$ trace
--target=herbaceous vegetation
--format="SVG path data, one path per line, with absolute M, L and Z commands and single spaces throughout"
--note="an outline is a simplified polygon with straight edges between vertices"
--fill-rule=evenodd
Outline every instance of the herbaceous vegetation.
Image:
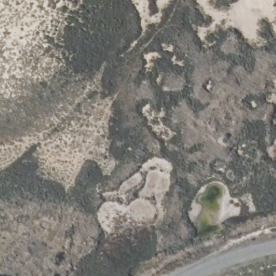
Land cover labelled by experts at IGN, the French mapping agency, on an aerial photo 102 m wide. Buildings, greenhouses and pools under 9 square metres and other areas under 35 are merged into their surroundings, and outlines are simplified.
M 168 197 L 165 194 L 162 201 L 164 215 L 180 215 L 182 208 L 182 202 L 178 197 L 178 185 L 174 190 L 174 196 Z
M 68 16 L 78 18 L 79 23 L 83 23 L 82 17 L 75 14 L 74 10 L 80 8 L 83 0 L 0 0 L 0 113 L 6 114 L 16 110 L 15 103 L 22 103 L 18 96 L 31 96 L 30 91 L 20 89 L 20 85 L 41 81 L 50 84 L 54 72 L 66 65 L 63 56 L 66 55 L 72 60 L 72 54 L 65 50 L 64 28 L 67 26 Z
M 191 97 L 202 103 L 210 103 L 206 109 L 195 113 L 190 110 L 185 100 L 179 101 L 177 107 L 171 108 L 172 123 L 187 123 L 181 127 L 184 148 L 191 148 L 195 143 L 203 143 L 201 151 L 194 152 L 188 157 L 191 162 L 196 162 L 194 170 L 188 174 L 188 180 L 194 187 L 197 180 L 216 178 L 217 181 L 223 182 L 219 175 L 210 172 L 209 165 L 213 158 L 219 157 L 220 162 L 216 163 L 218 170 L 224 171 L 226 166 L 229 166 L 232 157 L 226 153 L 226 143 L 223 139 L 226 134 L 240 130 L 243 120 L 264 121 L 267 148 L 272 147 L 276 140 L 276 55 L 266 51 L 254 52 L 256 65 L 252 73 L 237 66 L 231 74 L 227 74 L 230 64 L 220 60 L 213 65 L 212 51 L 198 52 L 190 32 L 185 31 L 181 37 L 174 38 L 184 56 L 188 57 L 190 64 L 194 66 L 194 88 Z
M 122 81 L 121 78 L 116 78 L 118 88 L 113 95 L 101 99 L 101 77 L 107 66 L 106 61 L 103 61 L 94 79 L 86 82 L 83 94 L 75 98 L 72 106 L 65 102 L 51 103 L 53 116 L 39 114 L 39 119 L 29 127 L 25 137 L 0 138 L 0 169 L 10 166 L 34 144 L 37 151 L 33 156 L 39 158 L 37 175 L 43 179 L 57 181 L 69 190 L 73 187 L 84 162 L 95 161 L 100 166 L 102 174 L 107 175 L 109 180 L 106 187 L 100 187 L 100 183 L 96 184 L 93 206 L 98 211 L 106 202 L 106 197 L 103 193 L 118 191 L 123 182 L 138 172 L 141 169 L 151 158 L 162 158 L 158 143 L 161 138 L 152 128 L 149 132 L 147 128 L 143 128 L 143 135 L 146 138 L 139 144 L 133 161 L 130 161 L 130 158 L 125 158 L 125 162 L 115 161 L 109 153 L 108 121 L 112 113 L 112 102 L 116 99 L 124 102 L 122 110 L 128 116 L 128 122 L 123 122 L 122 125 L 127 128 L 142 122 L 136 113 L 137 101 L 154 97 L 149 81 L 142 81 L 140 87 L 134 84 L 134 79 L 141 69 L 141 61 L 136 58 L 133 67 L 123 66 L 125 79 Z
M 221 51 L 225 54 L 239 55 L 238 42 L 233 34 L 225 39 Z
M 97 213 L 89 215 L 74 211 L 65 203 L 44 203 L 39 206 L 30 202 L 24 207 L 9 208 L 8 202 L 0 201 L 0 276 L 74 276 L 70 267 L 77 270 L 80 259 L 92 252 L 97 244 L 98 234 L 103 230 Z
M 170 73 L 163 87 L 164 91 L 181 91 L 184 78 Z
M 113 238 L 126 229 L 142 226 L 148 229 L 160 225 L 163 220 L 158 218 L 158 209 L 155 210 L 152 219 L 144 222 L 136 221 L 133 217 L 127 222 L 126 216 L 123 215 L 113 218 L 114 229 L 111 233 L 105 231 L 105 237 Z
M 150 260 L 141 261 L 135 276 L 161 276 L 175 271 L 177 267 L 191 264 L 220 247 L 223 247 L 224 253 L 229 253 L 238 248 L 276 239 L 276 216 L 261 217 L 247 220 L 239 226 L 233 224 L 232 227 L 225 227 L 222 222 L 217 224 L 220 209 L 218 199 L 202 203 L 205 193 L 198 192 L 194 196 L 189 212 L 190 219 L 196 227 L 201 227 L 204 222 L 218 225 L 212 234 L 196 236 L 192 244 L 170 256 L 158 253 Z

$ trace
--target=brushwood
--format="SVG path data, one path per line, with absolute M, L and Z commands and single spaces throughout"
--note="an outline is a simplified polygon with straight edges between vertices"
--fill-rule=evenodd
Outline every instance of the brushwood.
M 219 275 L 213 273 L 210 276 L 276 276 L 276 253 L 249 262 L 232 264 L 222 268 Z
M 259 37 L 251 44 L 237 28 L 222 29 L 218 25 L 215 31 L 208 33 L 205 39 L 201 40 L 198 37 L 198 27 L 209 26 L 212 17 L 204 13 L 197 0 L 157 0 L 157 8 L 163 8 L 161 22 L 148 25 L 146 30 L 141 28 L 141 18 L 133 0 L 83 0 L 80 8 L 74 10 L 75 14 L 82 17 L 83 23 L 79 23 L 78 18 L 68 16 L 67 26 L 64 28 L 65 50 L 72 54 L 72 60 L 66 55 L 63 56 L 66 65 L 54 72 L 50 84 L 41 81 L 20 85 L 20 89 L 30 91 L 31 96 L 18 96 L 22 103 L 15 103 L 16 110 L 6 114 L 0 113 L 0 138 L 25 137 L 29 127 L 39 119 L 39 114 L 53 116 L 51 103 L 65 102 L 72 106 L 75 98 L 83 94 L 86 82 L 94 79 L 103 61 L 106 61 L 107 66 L 101 77 L 101 99 L 113 95 L 118 88 L 116 78 L 121 78 L 122 81 L 125 79 L 123 66 L 133 67 L 136 58 L 141 61 L 141 69 L 134 79 L 134 84 L 140 87 L 142 81 L 149 81 L 154 97 L 137 101 L 136 113 L 142 122 L 127 128 L 122 125 L 123 122 L 128 122 L 128 116 L 122 110 L 124 102 L 116 99 L 112 102 L 112 113 L 108 121 L 109 153 L 115 161 L 125 162 L 125 158 L 130 158 L 130 161 L 133 161 L 139 144 L 146 138 L 143 135 L 143 128 L 147 128 L 149 132 L 152 128 L 148 124 L 147 116 L 142 113 L 142 108 L 150 105 L 155 112 L 161 112 L 164 108 L 163 124 L 176 135 L 169 140 L 161 138 L 158 143 L 162 158 L 172 166 L 169 190 L 165 194 L 168 197 L 174 196 L 174 190 L 178 185 L 178 197 L 182 202 L 182 208 L 180 215 L 164 215 L 163 220 L 160 225 L 148 229 L 142 226 L 126 229 L 113 238 L 105 237 L 105 231 L 103 230 L 98 234 L 97 244 L 92 252 L 80 259 L 77 270 L 70 267 L 74 276 L 135 276 L 141 261 L 150 260 L 158 253 L 170 256 L 192 244 L 188 238 L 188 227 L 185 225 L 185 221 L 190 219 L 189 212 L 194 196 L 198 192 L 206 183 L 217 181 L 216 178 L 197 180 L 194 187 L 188 180 L 188 174 L 194 170 L 196 162 L 191 162 L 188 157 L 194 152 L 201 151 L 203 143 L 195 143 L 191 148 L 184 148 L 181 127 L 187 123 L 172 123 L 171 108 L 177 107 L 179 101 L 185 100 L 190 110 L 195 113 L 206 109 L 210 103 L 202 103 L 191 97 L 194 88 L 194 66 L 190 64 L 188 57 L 184 56 L 174 38 L 181 37 L 185 31 L 190 32 L 198 52 L 212 51 L 213 65 L 220 60 L 230 64 L 227 74 L 231 74 L 237 66 L 252 73 L 256 65 L 254 52 L 266 51 L 276 55 L 276 34 L 268 19 L 262 18 L 259 20 Z M 221 51 L 225 39 L 233 34 L 238 42 L 239 55 L 225 54 Z M 181 91 L 164 91 L 163 87 L 170 73 L 184 78 Z
M 106 197 L 106 202 L 127 206 L 134 202 L 146 185 L 148 172 L 156 169 L 155 166 L 151 166 L 146 171 L 141 169 L 138 172 L 141 176 L 140 183 L 128 189 L 125 198 Z
M 39 206 L 44 203 L 65 203 L 74 211 L 89 215 L 97 213 L 98 211 L 93 206 L 96 184 L 100 183 L 100 187 L 106 187 L 109 180 L 107 175 L 102 174 L 100 166 L 95 161 L 84 162 L 73 187 L 69 190 L 57 181 L 43 179 L 37 175 L 39 158 L 33 156 L 37 151 L 34 144 L 10 166 L 0 169 L 0 201 L 8 202 L 9 208 L 24 207 L 30 202 Z
M 243 197 L 248 207 L 249 211 L 257 210 L 261 217 L 276 216 L 276 140 L 272 147 L 267 148 L 264 121 L 243 120 L 240 130 L 226 134 L 223 139 L 226 143 L 226 153 L 232 157 L 229 166 L 226 166 L 224 171 L 218 170 L 216 163 L 220 162 L 219 157 L 213 158 L 209 165 L 210 172 L 219 175 L 223 182 L 227 185 L 230 196 Z

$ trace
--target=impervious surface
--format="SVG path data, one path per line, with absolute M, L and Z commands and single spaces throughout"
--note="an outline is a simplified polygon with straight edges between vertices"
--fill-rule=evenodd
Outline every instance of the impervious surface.
M 249 262 L 276 253 L 276 239 L 238 248 L 229 253 L 224 253 L 223 247 L 220 247 L 191 264 L 177 267 L 175 271 L 161 276 L 210 276 L 213 273 L 219 275 L 222 268 L 232 264 Z

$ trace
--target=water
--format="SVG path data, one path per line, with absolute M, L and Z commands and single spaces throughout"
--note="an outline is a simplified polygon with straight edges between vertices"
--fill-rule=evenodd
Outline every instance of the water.
M 225 227 L 232 227 L 233 224 L 239 226 L 247 220 L 261 217 L 257 210 L 249 211 L 248 207 L 240 210 L 238 216 L 222 222 Z
M 218 225 L 204 222 L 201 227 L 196 227 L 190 219 L 185 221 L 185 225 L 188 227 L 188 238 L 192 244 L 196 236 L 212 234 Z

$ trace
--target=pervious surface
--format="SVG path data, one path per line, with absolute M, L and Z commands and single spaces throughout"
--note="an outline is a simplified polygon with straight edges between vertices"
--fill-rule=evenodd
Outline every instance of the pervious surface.
M 148 124 L 152 128 L 161 138 L 169 140 L 176 135 L 163 124 L 164 108 L 161 112 L 155 112 L 150 105 L 142 108 L 142 113 L 147 116 Z
M 123 215 L 126 216 L 127 222 L 133 217 L 136 221 L 144 222 L 152 219 L 155 210 L 158 209 L 158 218 L 163 220 L 164 215 L 162 201 L 165 194 L 169 190 L 172 166 L 162 158 L 151 158 L 141 169 L 146 171 L 151 166 L 155 166 L 156 169 L 148 172 L 146 185 L 134 202 L 127 206 L 106 202 L 98 211 L 97 213 L 103 230 L 105 231 L 111 233 L 114 229 L 113 218 Z
M 118 191 L 103 193 L 106 197 L 125 198 L 128 189 L 140 183 L 141 176 L 138 172 L 123 182 Z
M 206 183 L 198 192 L 205 193 L 202 203 L 218 199 L 220 209 L 217 224 L 222 222 L 238 216 L 240 210 L 248 207 L 243 197 L 230 196 L 227 185 L 223 182 L 217 181 Z
M 148 25 L 161 22 L 163 8 L 157 8 L 157 0 L 133 0 L 141 18 L 141 28 L 146 30 Z
M 215 31 L 218 25 L 222 29 L 237 28 L 251 44 L 259 37 L 259 20 L 262 18 L 268 19 L 276 34 L 276 0 L 197 0 L 204 13 L 212 17 L 209 26 L 198 27 L 198 37 L 201 40 L 205 39 L 208 33 Z

